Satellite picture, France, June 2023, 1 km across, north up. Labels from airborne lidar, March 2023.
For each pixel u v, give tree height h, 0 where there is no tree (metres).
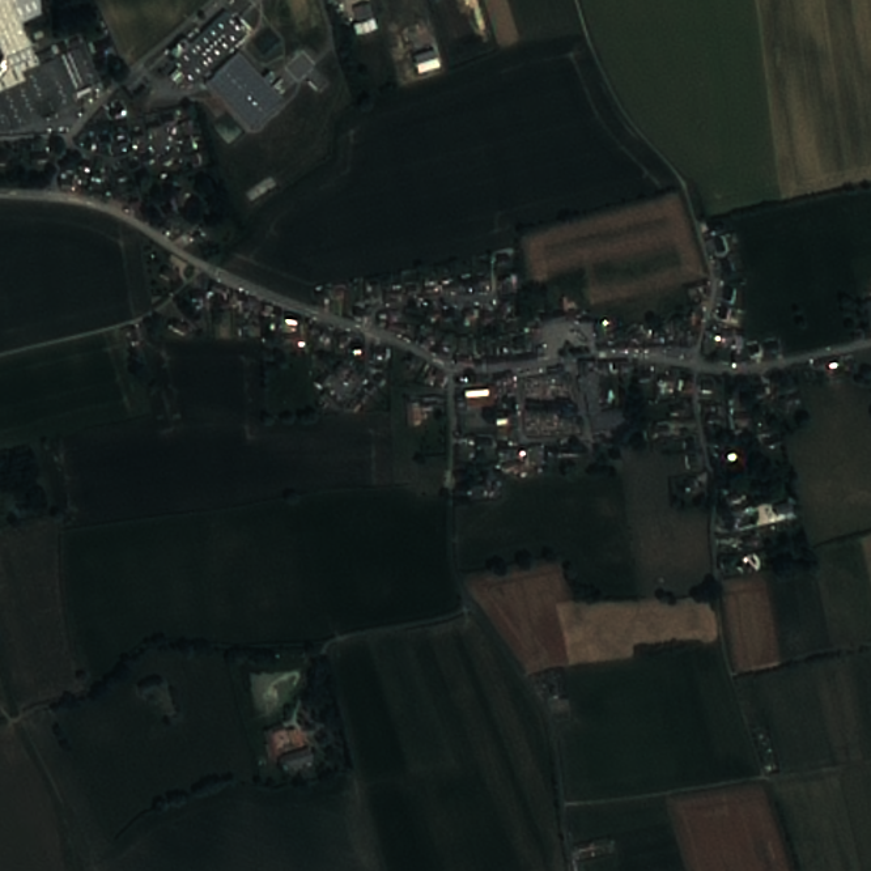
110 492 0
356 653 0
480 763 0
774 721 0
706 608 0
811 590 0
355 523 0
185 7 0
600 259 0
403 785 0
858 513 0
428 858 0
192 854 0
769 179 0
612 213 0
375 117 0
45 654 0
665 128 0
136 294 0
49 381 0
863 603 0
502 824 0
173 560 0
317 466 0
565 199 0
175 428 0
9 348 0
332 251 0
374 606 0
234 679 0
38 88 0
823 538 0
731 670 0
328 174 0
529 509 0
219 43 0
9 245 0
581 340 0
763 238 0
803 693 0
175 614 0
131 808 0
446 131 0
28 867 0
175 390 0
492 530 0
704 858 0
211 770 0
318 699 19
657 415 0
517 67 0
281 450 0
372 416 0
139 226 0
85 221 0
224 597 0
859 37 0
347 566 0
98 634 0
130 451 0
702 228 0
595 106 0
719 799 0
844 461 0
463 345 0
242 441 0
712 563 0
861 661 0
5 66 0
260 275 0
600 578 0
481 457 11
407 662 0
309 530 0
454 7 0
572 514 0
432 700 0
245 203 0
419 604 0
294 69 0
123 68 19
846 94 0
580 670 0
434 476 0
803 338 0
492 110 0
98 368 0
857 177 0
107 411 0
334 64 0
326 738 15
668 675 0
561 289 0
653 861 0
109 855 0
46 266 0
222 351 0
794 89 0
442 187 0
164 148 0
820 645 0
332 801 0
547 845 0
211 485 0
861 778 0
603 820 0
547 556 11
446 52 0
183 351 0
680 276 0
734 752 0
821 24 0
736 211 6
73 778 0
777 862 0
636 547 0
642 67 0
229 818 0
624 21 0
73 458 0
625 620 0
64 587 0
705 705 0
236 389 0
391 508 0
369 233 0
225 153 0
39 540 0
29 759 0
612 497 0
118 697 0
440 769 0
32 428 0
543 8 0
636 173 0
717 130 0
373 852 0
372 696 0
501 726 0
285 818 0
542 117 0
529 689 0
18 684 0
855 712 0
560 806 8
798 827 0
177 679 0
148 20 0
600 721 0
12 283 0
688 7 0
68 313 0
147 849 0
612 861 0
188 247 0
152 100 0
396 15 0
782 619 0
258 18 0
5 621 0
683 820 0
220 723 0
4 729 0
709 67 0
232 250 0
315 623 0
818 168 0
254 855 0
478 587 0
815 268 0
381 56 0
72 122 0
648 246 0
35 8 0
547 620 0
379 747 0
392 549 0
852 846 0
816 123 0
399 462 0
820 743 0
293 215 0
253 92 0
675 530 0
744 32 0
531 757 0
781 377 15
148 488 0
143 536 0
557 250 0
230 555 0
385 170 0
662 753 0
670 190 7
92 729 0
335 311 0
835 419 0
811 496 0
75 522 0
